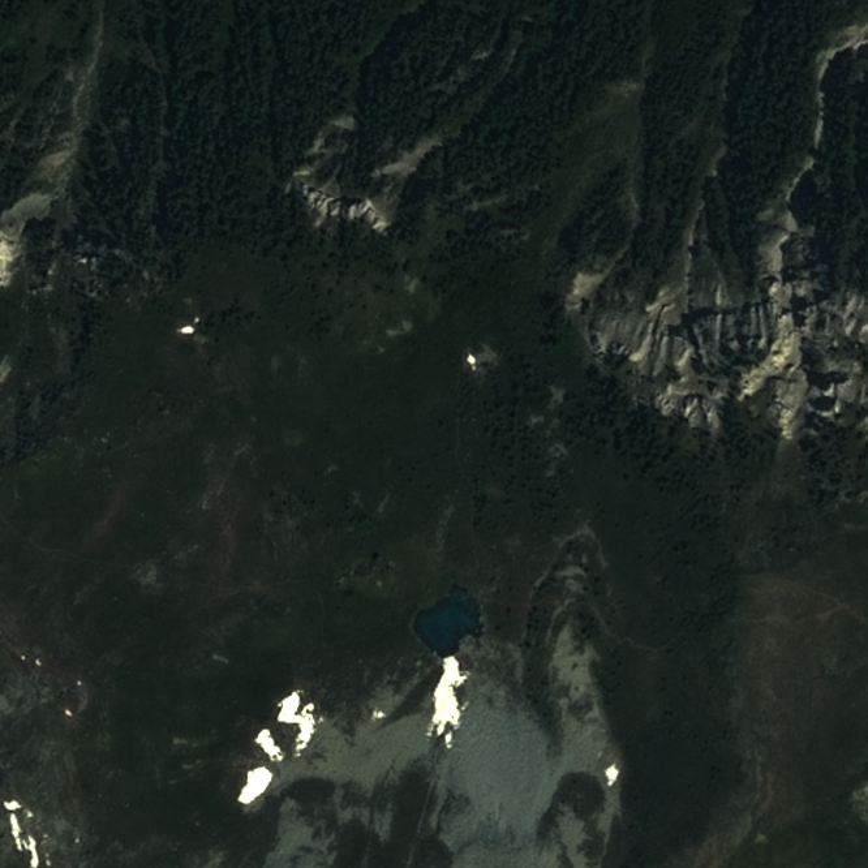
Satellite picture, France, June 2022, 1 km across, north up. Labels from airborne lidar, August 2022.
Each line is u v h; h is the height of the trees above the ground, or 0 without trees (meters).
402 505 0
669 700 0
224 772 0
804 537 0
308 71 22
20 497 0
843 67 12
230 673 0
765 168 12
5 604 0
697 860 0
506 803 0
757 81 25
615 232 14
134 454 0
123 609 0
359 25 33
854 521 0
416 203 13
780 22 28
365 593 0
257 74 19
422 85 15
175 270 11
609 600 0
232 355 0
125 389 0
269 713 0
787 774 0
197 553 0
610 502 0
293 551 0
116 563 0
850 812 0
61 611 0
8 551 0
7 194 11
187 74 30
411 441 0
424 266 0
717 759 0
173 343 0
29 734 0
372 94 16
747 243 18
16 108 10
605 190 15
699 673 0
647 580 0
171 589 0
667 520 0
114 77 6
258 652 0
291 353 0
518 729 0
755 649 0
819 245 0
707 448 10
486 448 0
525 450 8
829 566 0
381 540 0
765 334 0
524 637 0
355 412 0
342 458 0
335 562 0
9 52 8
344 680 0
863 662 0
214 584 0
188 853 0
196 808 0
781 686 0
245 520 0
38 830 0
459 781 0
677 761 0
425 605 0
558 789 0
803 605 0
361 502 0
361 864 0
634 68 12
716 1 6
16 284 0
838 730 0
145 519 0
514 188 18
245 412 0
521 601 0
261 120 10
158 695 0
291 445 0
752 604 0
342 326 0
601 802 0
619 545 0
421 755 0
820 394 0
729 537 0
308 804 0
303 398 0
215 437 0
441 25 20
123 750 0
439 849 0
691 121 6
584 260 6
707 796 0
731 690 0
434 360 0
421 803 0
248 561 0
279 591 0
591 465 0
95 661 0
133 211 15
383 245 6
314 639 0
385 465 0
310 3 31
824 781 0
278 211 17
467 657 0
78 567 0
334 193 0
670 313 0
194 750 0
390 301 0
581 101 24
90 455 0
